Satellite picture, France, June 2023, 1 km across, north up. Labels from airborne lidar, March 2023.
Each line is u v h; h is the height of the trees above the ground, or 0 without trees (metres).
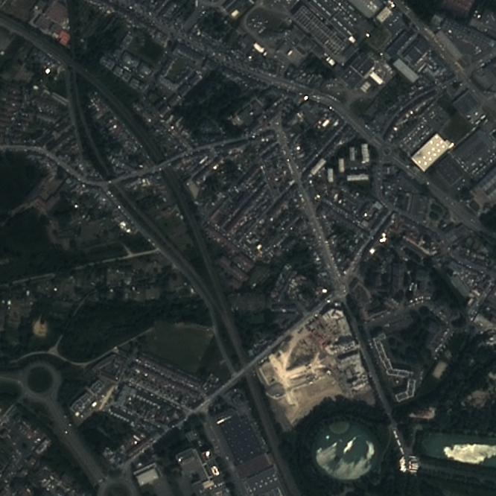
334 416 13
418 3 8
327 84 0
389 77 0
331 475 0
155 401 0
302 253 13
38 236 0
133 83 0
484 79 0
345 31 0
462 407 9
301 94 0
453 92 0
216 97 7
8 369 12
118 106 0
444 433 10
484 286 0
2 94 0
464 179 0
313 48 0
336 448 0
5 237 0
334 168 10
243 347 13
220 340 0
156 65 0
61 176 11
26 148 0
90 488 11
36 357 9
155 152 0
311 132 12
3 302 0
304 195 0
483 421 24
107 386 0
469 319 0
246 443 0
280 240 0
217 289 0
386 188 0
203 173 0
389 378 0
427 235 12
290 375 0
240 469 0
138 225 0
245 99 11
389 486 19
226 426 0
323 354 0
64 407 11
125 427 9
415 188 0
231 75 0
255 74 0
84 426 11
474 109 0
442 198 0
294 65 8
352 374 36
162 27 0
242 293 13
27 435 0
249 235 0
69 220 11
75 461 0
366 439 0
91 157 7
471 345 20
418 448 9
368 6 0
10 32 0
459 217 0
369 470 0
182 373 0
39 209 0
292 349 0
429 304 0
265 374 0
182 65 0
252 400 7
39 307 7
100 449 8
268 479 0
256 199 0
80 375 0
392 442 0
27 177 14
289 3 0
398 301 8
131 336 0
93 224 0
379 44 0
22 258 18
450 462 9
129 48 0
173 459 11
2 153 16
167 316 15
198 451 0
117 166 0
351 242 6
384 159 0
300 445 8
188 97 18
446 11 8
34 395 0
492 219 11
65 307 0
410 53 0
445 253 0
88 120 6
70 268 10
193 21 0
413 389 0
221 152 0
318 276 0
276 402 0
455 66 0
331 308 0
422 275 0
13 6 0
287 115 7
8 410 0
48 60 0
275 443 0
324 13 0
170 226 0
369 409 23
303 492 10
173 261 0
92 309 9
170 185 0
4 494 0
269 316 17
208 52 0
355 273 0
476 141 0
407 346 0
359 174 0
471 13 12
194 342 0
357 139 6
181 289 0
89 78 0
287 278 0
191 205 13
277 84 0
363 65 0
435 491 14
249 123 0
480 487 11
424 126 0
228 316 0
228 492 0
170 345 0
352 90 0
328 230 0
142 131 0
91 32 0
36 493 13
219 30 10
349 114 0
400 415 17
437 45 0
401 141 0
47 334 0
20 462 0
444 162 0
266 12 0
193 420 16
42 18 0
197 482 0
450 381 12
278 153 0
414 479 16
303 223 0
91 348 6
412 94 0
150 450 12
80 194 0
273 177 0
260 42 0
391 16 0
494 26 0
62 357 0
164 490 0
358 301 0
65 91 0
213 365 0
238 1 0
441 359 0
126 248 0
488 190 0
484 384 11
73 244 13
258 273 0
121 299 6
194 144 7
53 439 10
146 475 0
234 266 0
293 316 0
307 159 0
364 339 19
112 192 0
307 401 0
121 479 0
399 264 0
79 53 8
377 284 0
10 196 0
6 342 8
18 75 0
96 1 0
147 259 8
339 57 0
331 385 0
